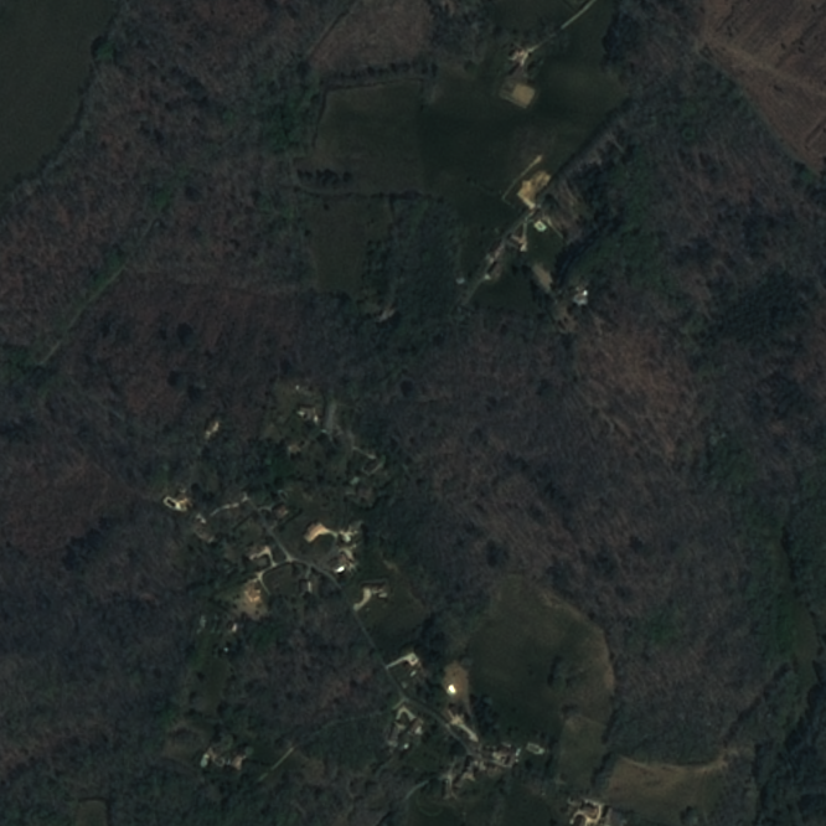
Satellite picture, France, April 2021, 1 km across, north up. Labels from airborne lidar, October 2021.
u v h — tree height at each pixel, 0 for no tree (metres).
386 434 14
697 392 15
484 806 0
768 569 25
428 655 15
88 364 7
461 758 10
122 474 18
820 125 0
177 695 15
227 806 15
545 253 0
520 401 15
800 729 0
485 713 15
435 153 0
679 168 13
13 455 16
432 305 16
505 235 6
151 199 22
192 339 23
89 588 17
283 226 10
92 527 0
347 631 12
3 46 0
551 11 0
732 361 13
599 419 18
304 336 8
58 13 0
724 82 20
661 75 21
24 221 17
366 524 7
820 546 26
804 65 0
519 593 0
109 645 18
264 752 0
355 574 6
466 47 22
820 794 20
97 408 17
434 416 9
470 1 23
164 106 25
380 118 0
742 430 25
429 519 13
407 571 18
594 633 0
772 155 15
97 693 20
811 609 19
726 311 24
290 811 21
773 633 24
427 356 11
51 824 23
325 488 13
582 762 0
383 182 0
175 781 17
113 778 14
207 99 25
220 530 13
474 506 9
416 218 22
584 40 0
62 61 0
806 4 0
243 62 25
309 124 12
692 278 18
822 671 9
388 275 16
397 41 0
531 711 0
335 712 11
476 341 11
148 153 17
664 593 19
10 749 19
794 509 24
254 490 13
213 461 20
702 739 25
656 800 0
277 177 10
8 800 20
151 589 22
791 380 11
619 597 18
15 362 28
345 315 23
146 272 21
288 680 7
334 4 19
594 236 13
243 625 13
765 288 18
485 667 0
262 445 9
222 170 19
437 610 20
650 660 20
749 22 0
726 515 22
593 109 0
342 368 21
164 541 18
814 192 16
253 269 12
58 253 12
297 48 19
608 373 7
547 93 0
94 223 13
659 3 19
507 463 13
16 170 0
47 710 16
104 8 0
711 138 15
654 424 13
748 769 11
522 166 0
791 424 23
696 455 9
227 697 9
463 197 0
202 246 22
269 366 6
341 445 15
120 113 18
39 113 0
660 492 22
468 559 15
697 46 15
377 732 20
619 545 15
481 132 0
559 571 20
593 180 26
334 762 23
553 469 11
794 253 21
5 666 15
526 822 0
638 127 22
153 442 14
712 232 12
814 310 15
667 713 20
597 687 0
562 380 19
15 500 10
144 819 14
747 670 16
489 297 0
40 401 17
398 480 11
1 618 17
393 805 12
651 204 22
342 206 0
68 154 22
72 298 21
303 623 15
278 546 12
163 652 14
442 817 0
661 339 16
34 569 19
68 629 20
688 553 20
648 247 24
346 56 0
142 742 17
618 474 16
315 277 13
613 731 17
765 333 22
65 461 20
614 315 10
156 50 17
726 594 20
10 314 12
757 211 15
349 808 22
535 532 20
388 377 9
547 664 0
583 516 19
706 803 0
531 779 11
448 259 16
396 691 15
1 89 0
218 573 12
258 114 21
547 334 20
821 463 25
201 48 6
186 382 17
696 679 20
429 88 13
